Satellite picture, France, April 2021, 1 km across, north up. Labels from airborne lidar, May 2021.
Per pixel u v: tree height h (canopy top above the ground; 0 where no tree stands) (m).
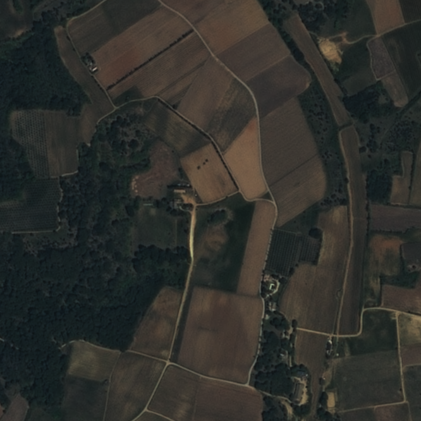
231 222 0
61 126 0
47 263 15
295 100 0
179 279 6
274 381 10
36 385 14
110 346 9
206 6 0
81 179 7
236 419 0
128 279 15
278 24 12
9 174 12
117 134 10
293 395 11
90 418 0
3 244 12
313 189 0
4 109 13
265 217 0
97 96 0
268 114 0
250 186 0
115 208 16
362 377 0
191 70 0
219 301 0
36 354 11
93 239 7
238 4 0
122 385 0
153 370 0
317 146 0
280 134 0
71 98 16
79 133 0
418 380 0
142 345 0
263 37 0
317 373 0
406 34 0
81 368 0
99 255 7
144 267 13
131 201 11
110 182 13
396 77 0
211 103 0
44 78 15
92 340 12
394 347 0
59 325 11
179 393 0
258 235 0
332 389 0
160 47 0
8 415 0
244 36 0
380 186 12
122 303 13
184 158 0
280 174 0
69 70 12
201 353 0
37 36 9
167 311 0
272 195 0
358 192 0
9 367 15
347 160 0
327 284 0
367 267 0
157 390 0
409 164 0
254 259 0
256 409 0
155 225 0
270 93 0
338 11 8
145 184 0
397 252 0
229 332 0
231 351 0
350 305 0
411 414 0
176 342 0
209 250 0
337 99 0
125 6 0
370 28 0
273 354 10
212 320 0
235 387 0
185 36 8
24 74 16
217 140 0
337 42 0
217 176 0
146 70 0
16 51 11
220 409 0
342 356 0
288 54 0
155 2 0
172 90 0
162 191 0
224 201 0
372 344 0
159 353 0
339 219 0
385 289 0
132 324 13
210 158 0
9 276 14
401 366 0
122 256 13
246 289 0
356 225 0
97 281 12
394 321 0
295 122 0
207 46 0
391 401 0
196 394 0
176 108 7
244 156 0
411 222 0
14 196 15
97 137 11
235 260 0
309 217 0
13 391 0
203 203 0
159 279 17
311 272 0
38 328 12
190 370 0
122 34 0
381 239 0
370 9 0
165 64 0
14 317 12
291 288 0
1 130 13
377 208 0
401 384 0
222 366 0
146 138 6
